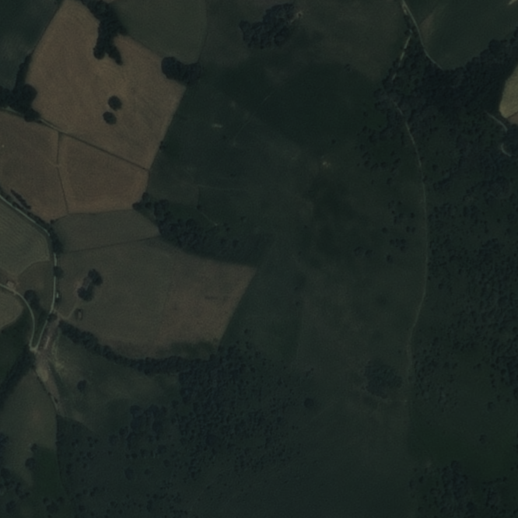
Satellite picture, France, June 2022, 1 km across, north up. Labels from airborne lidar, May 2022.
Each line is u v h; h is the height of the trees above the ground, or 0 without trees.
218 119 0
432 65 8
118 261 0
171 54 0
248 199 0
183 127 0
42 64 0
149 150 0
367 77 0
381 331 0
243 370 12
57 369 0
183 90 0
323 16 0
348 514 0
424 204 0
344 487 0
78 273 0
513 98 0
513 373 21
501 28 0
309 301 0
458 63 0
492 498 21
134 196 0
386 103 19
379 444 0
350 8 0
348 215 0
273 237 0
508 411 0
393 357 0
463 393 0
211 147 0
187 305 0
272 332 0
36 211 0
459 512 13
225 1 0
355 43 0
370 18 0
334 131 0
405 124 10
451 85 14
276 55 0
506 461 0
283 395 0
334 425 0
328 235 0
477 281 11
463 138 12
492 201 19
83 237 0
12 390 15
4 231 0
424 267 0
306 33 0
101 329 0
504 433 0
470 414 0
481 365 10
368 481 0
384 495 0
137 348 0
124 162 0
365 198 0
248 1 0
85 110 0
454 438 0
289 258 0
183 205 0
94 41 0
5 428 0
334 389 0
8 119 0
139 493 0
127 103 0
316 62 0
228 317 0
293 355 0
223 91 0
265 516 0
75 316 0
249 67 0
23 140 0
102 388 0
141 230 0
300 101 0
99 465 0
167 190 0
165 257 0
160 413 22
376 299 0
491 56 16
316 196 0
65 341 0
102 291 0
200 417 11
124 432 14
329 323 0
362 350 0
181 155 0
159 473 0
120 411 0
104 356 7
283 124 0
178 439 0
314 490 0
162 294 0
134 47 0
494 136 10
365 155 7
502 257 6
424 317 0
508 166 21
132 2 0
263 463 6
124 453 0
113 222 0
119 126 0
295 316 0
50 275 0
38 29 0
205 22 0
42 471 0
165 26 0
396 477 0
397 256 0
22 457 0
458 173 7
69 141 0
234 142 0
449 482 9
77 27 0
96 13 22
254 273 0
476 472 0
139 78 0
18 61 0
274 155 0
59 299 12
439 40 0
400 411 0
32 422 0
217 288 0
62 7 0
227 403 14
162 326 0
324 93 0
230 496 0
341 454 0
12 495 0
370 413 0
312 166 0
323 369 0
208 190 0
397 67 11
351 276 0
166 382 0
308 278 0
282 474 0
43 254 0
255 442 0
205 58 0
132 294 0
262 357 8
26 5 0
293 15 17
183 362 14
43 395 0
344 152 0
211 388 8
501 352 7
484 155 20
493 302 13
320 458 0
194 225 14
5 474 22
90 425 0
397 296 0
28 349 8
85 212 0
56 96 0
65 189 0
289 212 0
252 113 0
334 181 0
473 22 0
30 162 0
